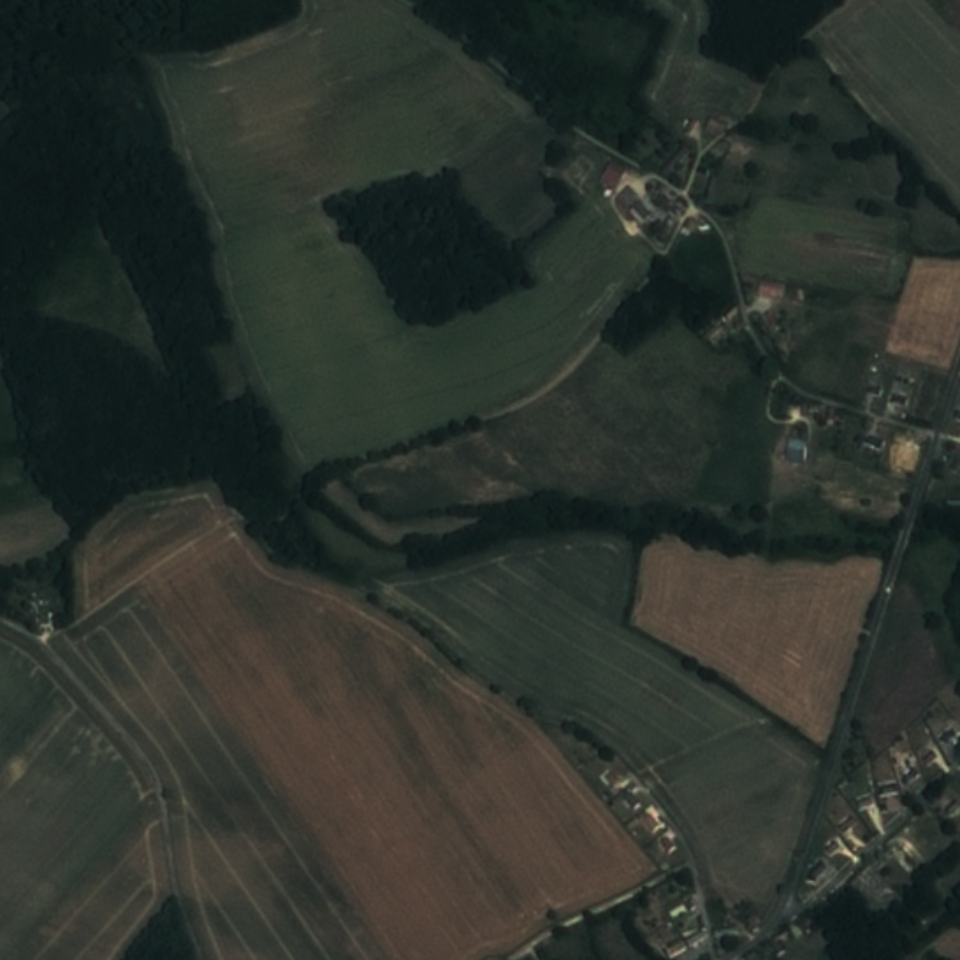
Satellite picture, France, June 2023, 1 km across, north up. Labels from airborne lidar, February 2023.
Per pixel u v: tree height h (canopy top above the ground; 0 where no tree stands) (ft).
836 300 0
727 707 0
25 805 0
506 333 0
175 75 0
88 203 28
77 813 0
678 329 0
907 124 0
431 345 0
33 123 27
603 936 0
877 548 19
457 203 70
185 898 0
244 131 0
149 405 66
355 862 0
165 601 0
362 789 0
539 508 66
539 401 0
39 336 71
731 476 0
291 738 0
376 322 0
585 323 0
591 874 0
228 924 0
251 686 0
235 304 0
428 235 68
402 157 0
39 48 22
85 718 0
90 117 29
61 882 0
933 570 0
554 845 0
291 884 0
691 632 0
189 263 90
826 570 0
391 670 0
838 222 0
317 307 0
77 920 0
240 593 0
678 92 0
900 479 0
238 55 0
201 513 0
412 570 52
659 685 0
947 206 44
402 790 0
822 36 0
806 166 0
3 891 0
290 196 0
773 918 0
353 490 20
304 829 0
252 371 0
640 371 0
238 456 53
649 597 0
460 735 0
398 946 0
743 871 0
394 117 0
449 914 0
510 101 0
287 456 0
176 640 0
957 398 0
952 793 0
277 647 0
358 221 71
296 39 0
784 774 0
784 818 0
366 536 22
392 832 0
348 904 0
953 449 19
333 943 0
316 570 27
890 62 0
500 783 0
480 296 59
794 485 0
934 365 0
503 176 0
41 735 0
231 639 0
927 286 0
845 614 0
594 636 0
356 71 0
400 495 0
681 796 0
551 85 24
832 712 0
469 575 0
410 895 0
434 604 0
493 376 0
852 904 57
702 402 0
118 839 0
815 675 0
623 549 0
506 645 0
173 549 0
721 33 53
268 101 0
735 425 0
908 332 0
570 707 0
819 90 0
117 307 0
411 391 0
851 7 0
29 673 0
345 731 0
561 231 0
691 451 0
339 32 0
